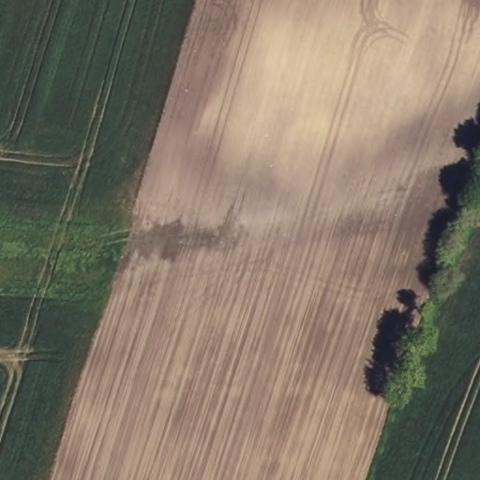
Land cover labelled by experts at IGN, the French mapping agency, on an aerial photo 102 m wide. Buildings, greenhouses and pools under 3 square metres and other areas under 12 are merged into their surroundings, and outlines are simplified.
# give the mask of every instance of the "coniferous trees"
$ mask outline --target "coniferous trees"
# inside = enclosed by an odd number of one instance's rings
[[[465,246],[471,238],[472,231],[478,227],[480,219],[480,204],[474,208],[461,208],[456,219],[450,221],[442,232],[437,259],[439,270],[431,279],[431,283],[426,285],[429,292],[437,292],[442,302],[457,291],[457,287],[465,279],[457,262],[461,261]]]

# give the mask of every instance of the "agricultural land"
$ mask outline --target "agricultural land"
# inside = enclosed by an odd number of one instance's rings
[[[45,217],[75,225],[122,223],[129,232],[124,257],[112,281],[111,298],[103,311],[97,330],[92,324],[82,324],[73,315],[66,300],[49,296],[0,294],[0,480],[480,480],[480,219],[478,227],[472,231],[471,238],[465,246],[461,261],[457,262],[465,279],[457,287],[457,291],[442,302],[437,319],[437,349],[427,352],[422,360],[426,369],[426,384],[424,388],[412,390],[411,401],[403,411],[394,407],[388,411],[386,401],[382,399],[384,386],[394,377],[397,366],[403,362],[405,351],[401,349],[401,337],[411,330],[411,326],[418,326],[422,322],[422,307],[426,306],[429,292],[426,285],[431,283],[431,279],[439,270],[437,259],[442,232],[450,221],[456,219],[461,208],[459,202],[463,201],[465,187],[471,182],[472,171],[476,165],[476,150],[480,146],[480,0],[0,0],[0,212],[15,216]]]

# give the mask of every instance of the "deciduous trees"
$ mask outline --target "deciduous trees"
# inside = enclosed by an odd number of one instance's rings
[[[472,171],[471,182],[465,187],[463,201],[459,202],[461,208],[474,208],[480,204],[480,146],[476,150],[476,165]]]
[[[401,337],[401,349],[405,351],[403,362],[397,366],[394,377],[384,386],[382,399],[386,401],[388,411],[394,407],[403,411],[411,401],[412,390],[424,388],[426,384],[426,369],[422,360],[427,352],[437,349],[437,319],[442,302],[437,292],[429,292],[426,306],[422,307],[422,322],[418,326],[411,326],[411,330]]]

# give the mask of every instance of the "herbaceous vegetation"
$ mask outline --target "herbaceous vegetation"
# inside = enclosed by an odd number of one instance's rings
[[[75,225],[45,217],[15,216],[0,212],[0,294],[49,296],[66,300],[73,315],[82,324],[92,324],[97,330],[103,311],[111,298],[112,281],[124,257],[129,232],[122,223]]]

